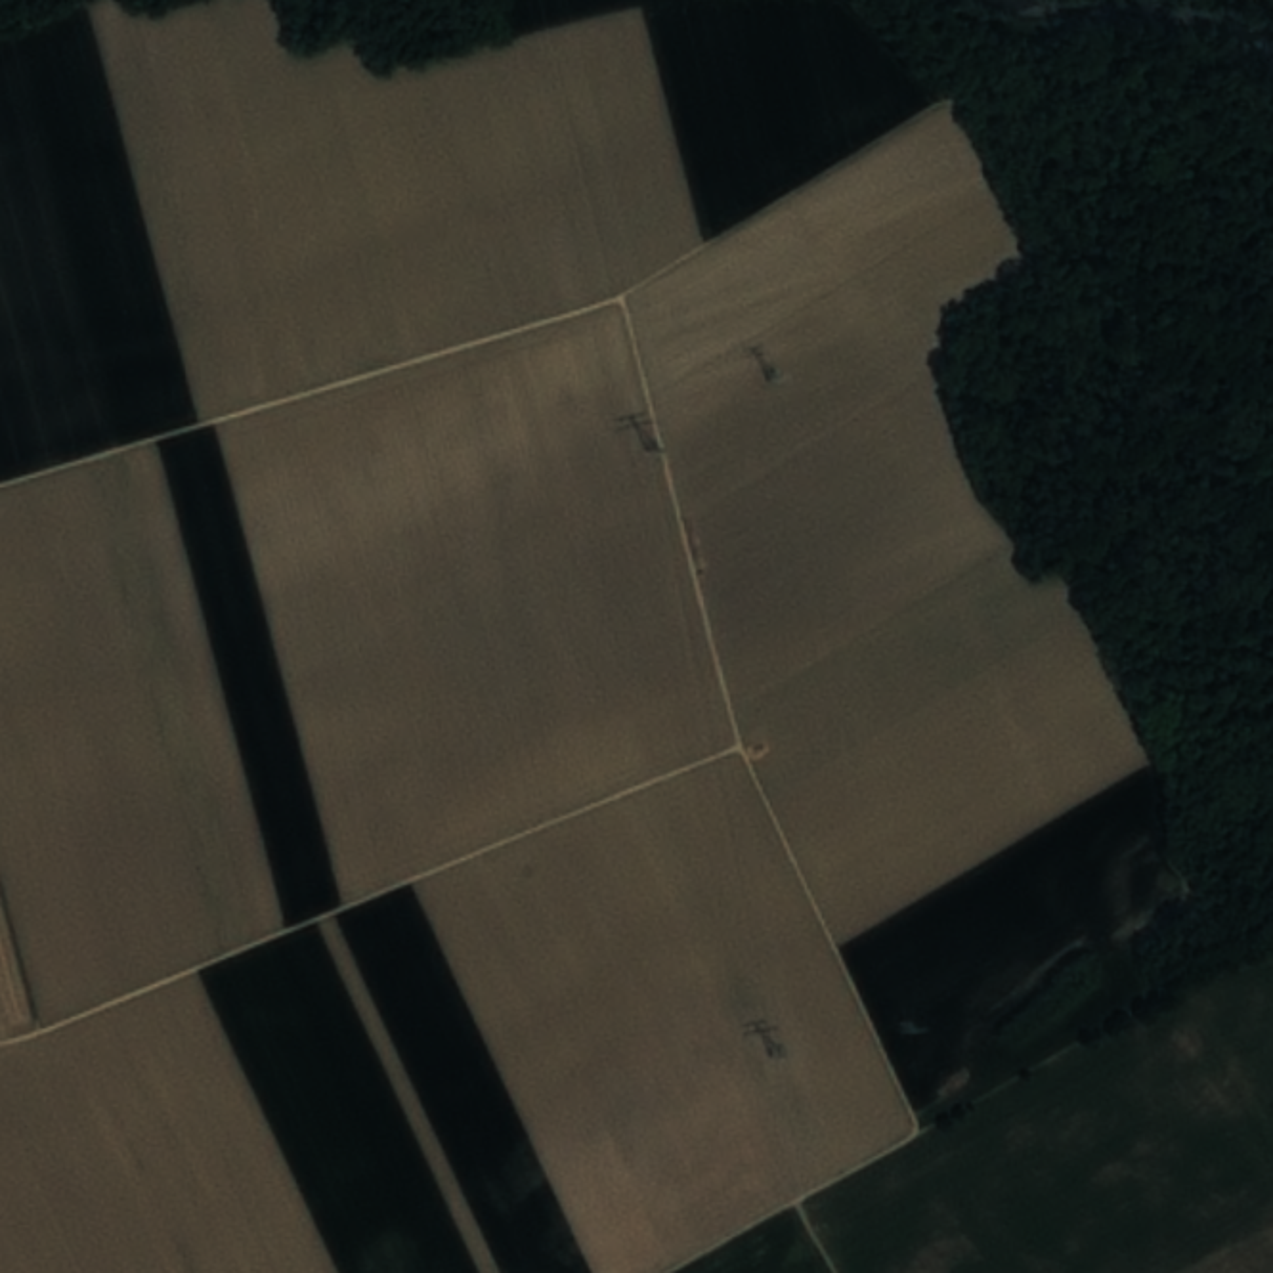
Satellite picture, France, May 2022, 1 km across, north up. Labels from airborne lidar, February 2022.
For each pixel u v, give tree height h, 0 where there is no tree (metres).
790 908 0
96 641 0
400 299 0
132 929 0
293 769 0
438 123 0
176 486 0
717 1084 0
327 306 0
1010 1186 0
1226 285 24
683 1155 0
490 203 0
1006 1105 0
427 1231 0
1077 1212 0
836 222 0
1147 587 29
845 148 0
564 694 0
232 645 0
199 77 0
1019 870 0
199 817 0
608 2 0
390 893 0
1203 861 17
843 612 0
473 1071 0
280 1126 0
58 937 0
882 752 0
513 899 0
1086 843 0
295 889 0
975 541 0
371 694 0
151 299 0
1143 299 26
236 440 0
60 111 0
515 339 0
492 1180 0
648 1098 0
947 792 0
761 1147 0
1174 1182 0
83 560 0
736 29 0
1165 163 20
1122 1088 0
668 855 0
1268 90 24
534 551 0
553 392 0
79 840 0
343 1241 0
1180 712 27
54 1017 0
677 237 0
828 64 0
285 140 0
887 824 0
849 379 0
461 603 0
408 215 0
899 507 0
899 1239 0
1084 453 29
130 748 0
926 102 0
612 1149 0
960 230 0
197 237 0
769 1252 0
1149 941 14
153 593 0
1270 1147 0
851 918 0
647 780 0
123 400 0
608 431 0
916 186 0
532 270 0
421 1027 0
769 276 0
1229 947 27
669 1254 0
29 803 0
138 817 0
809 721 0
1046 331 30
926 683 0
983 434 22
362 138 0
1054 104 22
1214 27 15
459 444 0
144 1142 0
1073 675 0
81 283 0
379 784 0
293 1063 0
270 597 0
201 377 0
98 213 0
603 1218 0
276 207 0
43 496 0
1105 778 0
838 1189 0
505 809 0
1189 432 25
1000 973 0
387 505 0
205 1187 0
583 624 0
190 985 0
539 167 0
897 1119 0
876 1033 0
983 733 0
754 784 0
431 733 0
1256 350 26
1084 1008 0
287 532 0
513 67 0
